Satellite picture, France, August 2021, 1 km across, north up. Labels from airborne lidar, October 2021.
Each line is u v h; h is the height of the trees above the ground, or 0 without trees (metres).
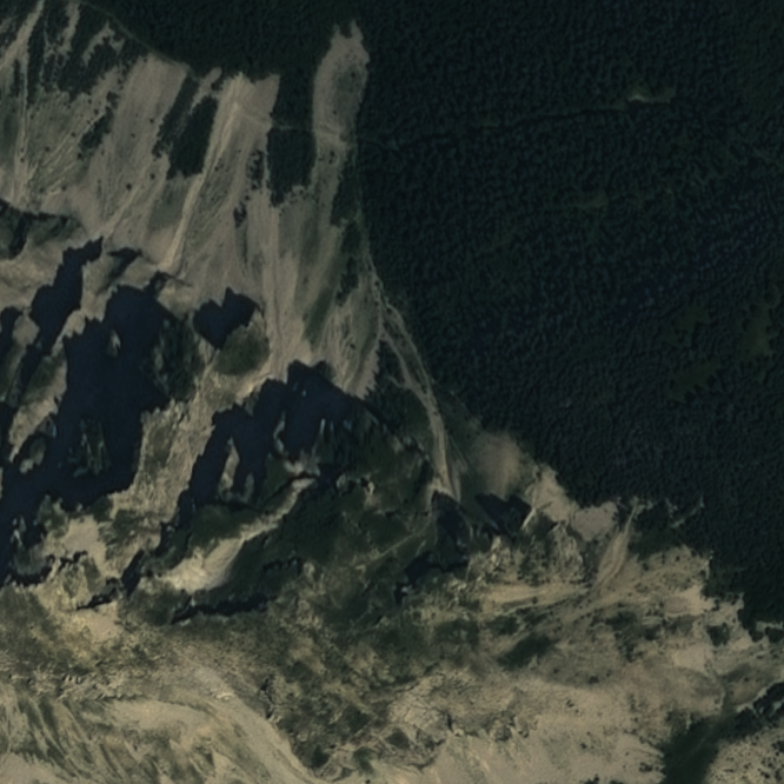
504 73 26
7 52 0
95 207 0
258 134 0
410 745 0
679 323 8
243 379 0
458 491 0
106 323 0
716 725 0
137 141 0
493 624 0
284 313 0
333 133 0
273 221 0
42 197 0
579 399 16
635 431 15
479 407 9
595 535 0
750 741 0
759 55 18
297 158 7
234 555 0
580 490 16
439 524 0
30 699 0
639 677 0
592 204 0
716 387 22
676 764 0
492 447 0
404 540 0
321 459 0
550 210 7
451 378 13
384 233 13
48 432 0
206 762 0
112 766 0
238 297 0
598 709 0
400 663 0
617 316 17
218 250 0
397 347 0
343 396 0
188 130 6
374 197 12
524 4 20
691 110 15
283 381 0
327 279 0
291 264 0
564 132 16
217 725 0
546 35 19
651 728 0
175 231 0
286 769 0
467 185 20
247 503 0
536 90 27
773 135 16
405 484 0
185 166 8
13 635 0
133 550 0
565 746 0
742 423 21
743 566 13
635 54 14
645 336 27
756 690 0
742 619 8
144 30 10
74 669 0
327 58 0
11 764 0
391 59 19
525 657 0
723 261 9
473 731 0
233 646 0
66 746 0
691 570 0
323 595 0
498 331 23
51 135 0
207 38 16
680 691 0
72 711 0
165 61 0
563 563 0
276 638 0
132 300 0
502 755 0
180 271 0
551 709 0
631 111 8
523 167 11
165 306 0
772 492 18
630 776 0
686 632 0
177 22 15
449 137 11
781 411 18
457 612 0
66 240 0
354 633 0
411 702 0
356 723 0
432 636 0
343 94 0
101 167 0
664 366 13
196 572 0
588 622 0
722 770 0
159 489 0
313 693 0
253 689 0
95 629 0
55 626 0
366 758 0
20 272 0
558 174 20
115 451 0
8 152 0
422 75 17
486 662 0
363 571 0
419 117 17
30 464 0
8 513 0
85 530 0
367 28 13
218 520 0
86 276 0
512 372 14
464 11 21
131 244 0
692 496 18
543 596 0
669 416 13
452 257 11
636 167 17
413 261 11
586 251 11
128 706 0
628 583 0
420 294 12
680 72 14
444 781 0
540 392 18
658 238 10
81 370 0
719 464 7
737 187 7
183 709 0
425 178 10
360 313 0
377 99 13
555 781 0
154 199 0
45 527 0
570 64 16
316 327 0
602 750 0
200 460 0
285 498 0
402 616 0
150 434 0
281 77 6
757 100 14
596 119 24
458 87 17
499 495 0
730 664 0
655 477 21
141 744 0
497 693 0
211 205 0
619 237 6
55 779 0
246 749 0
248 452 0
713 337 20
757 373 10
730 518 11
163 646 0
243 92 0
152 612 0
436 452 0
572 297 25
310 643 0
